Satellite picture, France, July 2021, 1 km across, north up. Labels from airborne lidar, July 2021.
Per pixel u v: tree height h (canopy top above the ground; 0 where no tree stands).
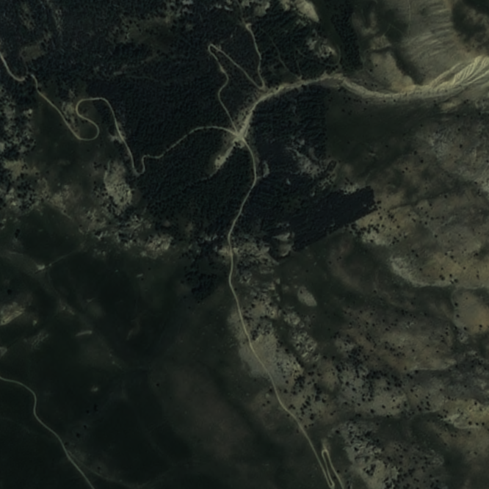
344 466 0
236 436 0
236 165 9
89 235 0
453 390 0
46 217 0
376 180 0
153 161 14
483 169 0
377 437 0
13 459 0
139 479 0
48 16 11
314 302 0
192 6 10
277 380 0
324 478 0
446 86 0
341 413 0
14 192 0
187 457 0
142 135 9
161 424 0
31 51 0
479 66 0
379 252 0
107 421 0
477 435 0
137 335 0
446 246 0
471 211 0
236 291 6
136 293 0
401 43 0
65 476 0
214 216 9
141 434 0
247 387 0
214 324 0
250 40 6
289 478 0
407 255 0
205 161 7
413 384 0
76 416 0
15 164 0
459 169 0
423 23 0
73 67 9
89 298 0
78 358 0
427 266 0
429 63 0
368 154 0
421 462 0
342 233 0
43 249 0
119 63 9
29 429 0
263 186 11
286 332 0
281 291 0
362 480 0
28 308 0
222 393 0
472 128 0
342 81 0
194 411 0
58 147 0
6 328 0
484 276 0
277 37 7
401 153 0
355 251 0
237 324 0
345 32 8
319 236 6
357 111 0
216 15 11
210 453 0
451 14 0
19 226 0
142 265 0
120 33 7
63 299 0
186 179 7
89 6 14
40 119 0
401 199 0
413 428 0
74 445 0
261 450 0
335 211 7
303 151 12
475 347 0
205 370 0
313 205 7
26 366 0
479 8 0
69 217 0
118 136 0
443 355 0
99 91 8
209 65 7
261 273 0
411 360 0
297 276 0
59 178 0
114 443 0
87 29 9
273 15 7
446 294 0
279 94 0
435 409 0
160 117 13
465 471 0
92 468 0
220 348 0
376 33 0
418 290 0
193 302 0
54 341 0
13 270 0
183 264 0
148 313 0
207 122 9
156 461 0
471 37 0
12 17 9
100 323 0
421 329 0
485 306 0
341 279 0
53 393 0
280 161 7
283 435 0
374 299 0
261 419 0
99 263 0
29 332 0
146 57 8
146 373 0
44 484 0
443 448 0
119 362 0
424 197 0
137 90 11
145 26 0
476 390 0
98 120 0
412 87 0
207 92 13
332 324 0
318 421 0
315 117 9
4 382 0
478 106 0
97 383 0
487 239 0
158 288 0
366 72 0
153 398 0
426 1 0
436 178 0
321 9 0
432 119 0
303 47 11
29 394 0
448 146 0
